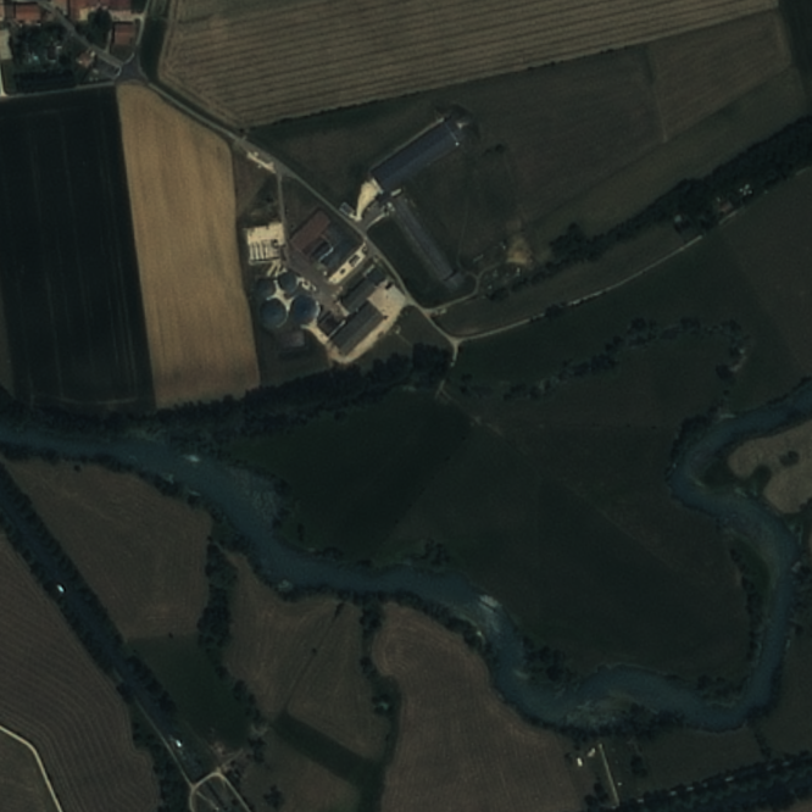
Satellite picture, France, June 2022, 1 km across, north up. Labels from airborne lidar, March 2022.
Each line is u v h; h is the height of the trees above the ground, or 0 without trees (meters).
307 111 0
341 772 0
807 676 0
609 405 0
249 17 0
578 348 0
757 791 0
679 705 0
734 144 0
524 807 0
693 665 0
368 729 0
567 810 0
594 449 0
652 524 0
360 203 0
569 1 0
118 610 0
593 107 0
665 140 0
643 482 0
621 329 0
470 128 0
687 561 0
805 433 0
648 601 0
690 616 0
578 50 0
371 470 0
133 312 0
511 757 0
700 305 0
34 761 0
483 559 0
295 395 30
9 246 0
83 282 0
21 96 0
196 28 0
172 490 9
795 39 0
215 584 8
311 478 0
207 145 0
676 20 0
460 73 0
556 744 0
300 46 0
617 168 0
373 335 0
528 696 0
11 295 0
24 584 0
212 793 0
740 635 0
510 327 0
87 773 0
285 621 0
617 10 0
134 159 0
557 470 0
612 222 0
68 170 0
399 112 0
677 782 0
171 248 0
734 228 0
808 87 0
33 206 0
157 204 0
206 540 0
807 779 0
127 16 0
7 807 0
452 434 0
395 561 0
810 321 0
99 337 0
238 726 0
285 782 0
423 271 0
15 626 0
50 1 0
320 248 0
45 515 0
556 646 0
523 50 0
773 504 0
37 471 0
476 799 0
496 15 0
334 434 0
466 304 0
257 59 0
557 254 6
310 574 0
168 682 0
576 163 0
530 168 0
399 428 0
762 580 0
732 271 0
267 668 0
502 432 0
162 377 0
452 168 0
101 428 19
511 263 0
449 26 0
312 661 0
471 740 0
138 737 11
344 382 30
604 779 0
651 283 0
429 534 0
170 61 0
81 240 0
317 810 0
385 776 0
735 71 0
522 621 0
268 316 0
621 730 15
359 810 0
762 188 6
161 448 0
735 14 0
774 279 0
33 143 0
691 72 0
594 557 0
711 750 0
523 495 0
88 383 0
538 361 0
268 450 0
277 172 0
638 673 0
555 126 0
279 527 10
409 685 0
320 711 0
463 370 0
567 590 0
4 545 0
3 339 0
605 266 0
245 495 0
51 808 0
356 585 0
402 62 0
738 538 0
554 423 0
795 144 15
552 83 0
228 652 0
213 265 0
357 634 0
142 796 0
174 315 0
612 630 0
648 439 0
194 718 0
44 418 16
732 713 0
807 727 0
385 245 0
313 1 0
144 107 0
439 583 0
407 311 0
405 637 0
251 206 0
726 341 0
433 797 0
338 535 0
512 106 0
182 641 0
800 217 0
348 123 0
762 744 9
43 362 0
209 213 0
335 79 0
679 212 14
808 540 0
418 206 0
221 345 0
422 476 0
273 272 0
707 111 0
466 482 0
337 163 0
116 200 0
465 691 0
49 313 0
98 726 0
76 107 0
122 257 0
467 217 0
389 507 0
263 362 0
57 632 0
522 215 0
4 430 0
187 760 0
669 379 0
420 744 0
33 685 0
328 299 0
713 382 0
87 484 0
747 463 0
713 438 0
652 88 0
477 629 8
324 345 0
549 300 0
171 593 0
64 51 0
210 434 0
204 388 0
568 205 0
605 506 0
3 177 0
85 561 0
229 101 0
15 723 0
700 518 0
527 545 0
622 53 0
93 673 0
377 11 0
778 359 0
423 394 0
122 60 0
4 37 0
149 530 0
